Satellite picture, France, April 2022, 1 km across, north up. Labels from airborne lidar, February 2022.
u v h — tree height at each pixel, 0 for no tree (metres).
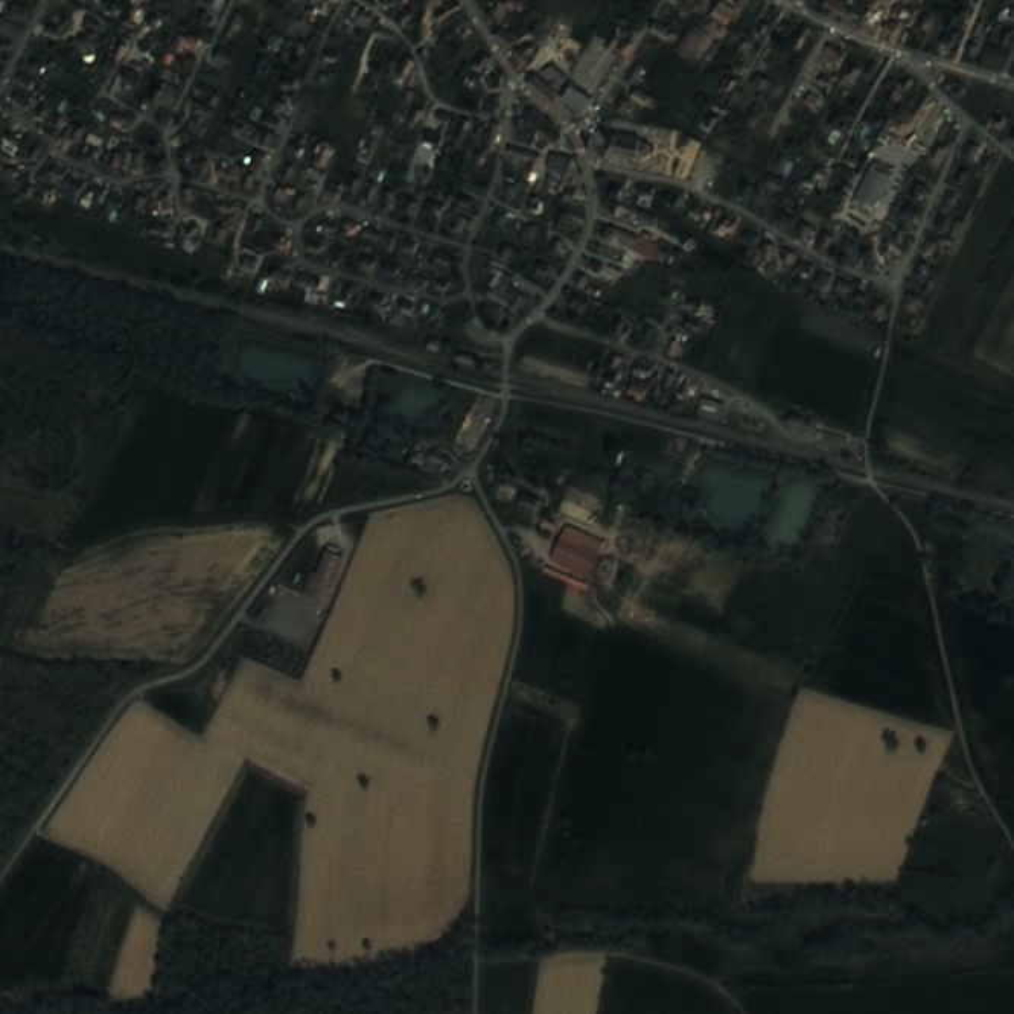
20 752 14
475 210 0
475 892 0
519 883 0
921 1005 0
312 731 0
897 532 0
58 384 15
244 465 0
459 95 0
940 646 0
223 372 13
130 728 0
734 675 0
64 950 0
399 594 0
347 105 0
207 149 0
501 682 0
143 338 22
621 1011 0
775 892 0
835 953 23
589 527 0
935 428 0
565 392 0
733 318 0
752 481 0
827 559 0
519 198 0
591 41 0
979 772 0
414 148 0
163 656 0
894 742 16
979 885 0
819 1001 0
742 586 0
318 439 0
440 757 0
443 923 0
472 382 0
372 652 0
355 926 0
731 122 6
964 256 0
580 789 0
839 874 0
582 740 0
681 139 0
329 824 0
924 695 0
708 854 0
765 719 0
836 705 0
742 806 0
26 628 0
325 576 0
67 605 0
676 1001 0
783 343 0
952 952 0
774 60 0
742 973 0
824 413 0
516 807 0
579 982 0
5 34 0
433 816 0
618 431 0
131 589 0
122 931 0
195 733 0
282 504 0
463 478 0
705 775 0
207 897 0
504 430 0
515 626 0
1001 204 0
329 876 0
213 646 0
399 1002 24
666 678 0
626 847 0
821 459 0
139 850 0
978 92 0
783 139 0
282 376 0
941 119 0
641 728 0
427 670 0
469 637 0
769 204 0
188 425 0
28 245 19
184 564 0
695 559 0
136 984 0
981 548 0
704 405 0
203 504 0
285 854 0
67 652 0
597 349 0
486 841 0
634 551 0
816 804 0
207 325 19
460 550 0
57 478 15
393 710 0
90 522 0
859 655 0
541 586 0
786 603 0
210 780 0
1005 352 0
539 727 0
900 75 0
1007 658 0
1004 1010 0
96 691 18
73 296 25
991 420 0
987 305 0
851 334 0
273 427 0
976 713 0
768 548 20
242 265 0
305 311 0
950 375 0
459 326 0
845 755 0
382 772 0
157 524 0
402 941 0
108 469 0
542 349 0
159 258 0
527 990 0
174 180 0
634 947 8
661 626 0
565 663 0
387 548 0
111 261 0
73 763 14
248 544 0
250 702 0
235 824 0
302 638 0
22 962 0
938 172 0
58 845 0
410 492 0
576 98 0
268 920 0
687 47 0
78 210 0
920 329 0
